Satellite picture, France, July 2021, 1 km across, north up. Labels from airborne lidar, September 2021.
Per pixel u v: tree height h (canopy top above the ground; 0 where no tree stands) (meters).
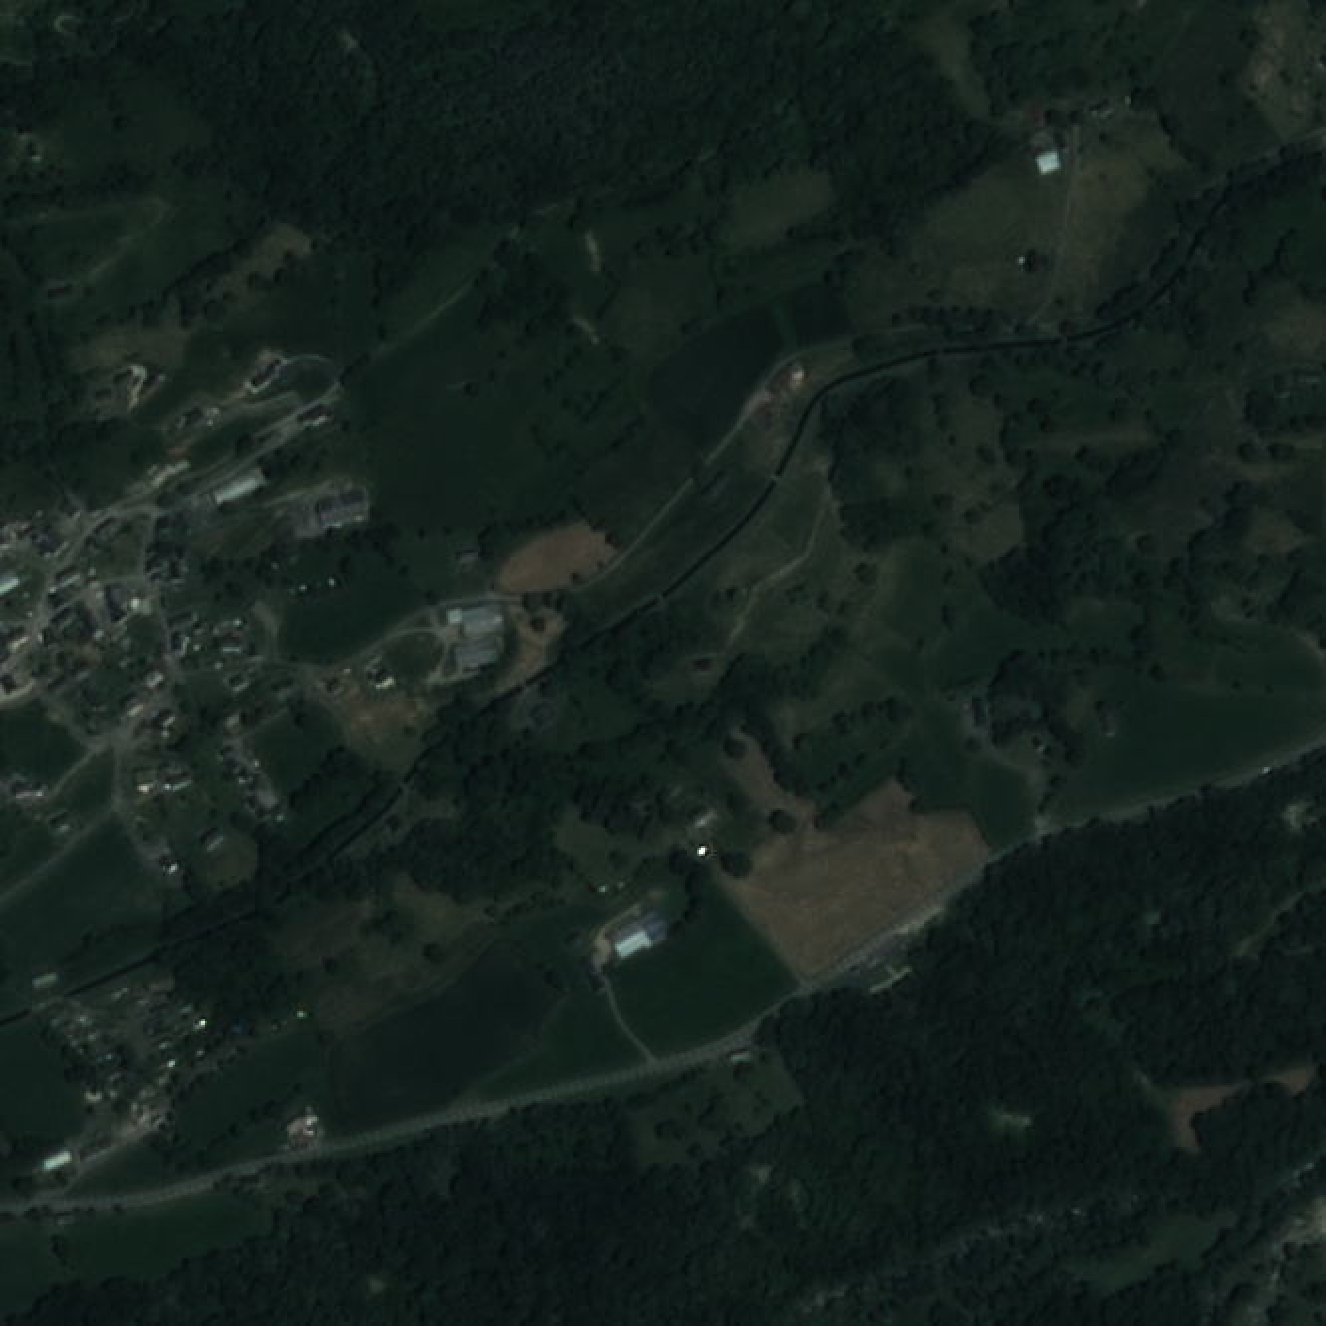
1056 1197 18
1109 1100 17
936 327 20
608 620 0
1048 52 15
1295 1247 16
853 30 18
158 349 0
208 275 23
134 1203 0
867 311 0
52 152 0
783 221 0
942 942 18
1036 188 0
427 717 0
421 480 0
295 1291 22
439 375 0
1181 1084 10
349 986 0
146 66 8
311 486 0
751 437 0
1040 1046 26
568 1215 11
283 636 0
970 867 0
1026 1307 10
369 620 0
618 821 25
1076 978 25
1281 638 0
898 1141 19
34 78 9
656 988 0
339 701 0
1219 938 18
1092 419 0
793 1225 9
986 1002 18
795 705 0
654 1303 24
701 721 15
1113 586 18
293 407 0
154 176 10
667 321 0
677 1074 0
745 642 0
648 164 23
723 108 19
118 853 0
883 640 0
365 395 0
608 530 14
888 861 0
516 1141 8
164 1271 0
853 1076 25
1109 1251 19
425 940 0
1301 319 0
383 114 22
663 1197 19
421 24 13
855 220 20
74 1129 0
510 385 0
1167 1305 17
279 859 27
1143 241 0
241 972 8
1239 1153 19
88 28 12
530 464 0
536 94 17
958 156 6
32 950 0
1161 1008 23
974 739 8
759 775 0
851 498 22
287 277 19
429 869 19
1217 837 14
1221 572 14
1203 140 0
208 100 20
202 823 0
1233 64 0
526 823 16
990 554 0
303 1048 0
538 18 8
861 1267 15
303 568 0
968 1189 18
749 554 0
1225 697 0
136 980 0
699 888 20
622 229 0
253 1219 0
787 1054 11
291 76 18
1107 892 23
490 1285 19
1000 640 0
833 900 0
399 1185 9
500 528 17
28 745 0
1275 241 0
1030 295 0
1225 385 0
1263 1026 27
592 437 0
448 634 0
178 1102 8
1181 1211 16
